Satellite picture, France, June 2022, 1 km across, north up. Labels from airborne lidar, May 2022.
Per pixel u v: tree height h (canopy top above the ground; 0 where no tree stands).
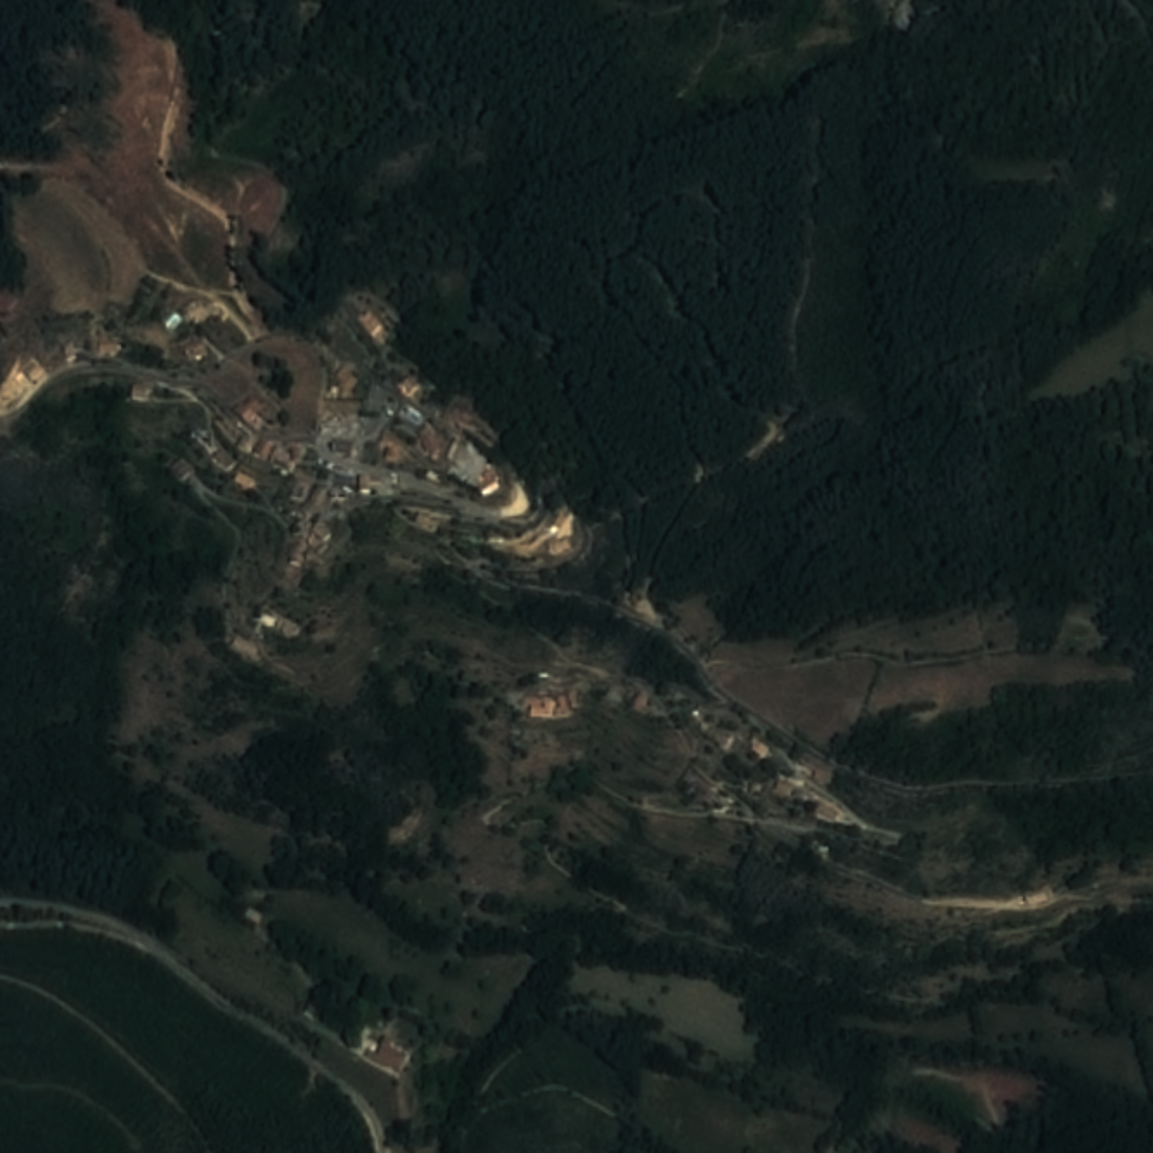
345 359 0
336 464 0
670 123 36
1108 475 20
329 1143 8
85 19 17
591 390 29
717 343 35
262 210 0
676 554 19
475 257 19
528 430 14
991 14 15
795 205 34
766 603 23
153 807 25
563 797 15
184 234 0
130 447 7
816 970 9
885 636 0
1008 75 9
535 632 7
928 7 11
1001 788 8
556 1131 0
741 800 6
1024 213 18
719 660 0
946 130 23
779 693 0
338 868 17
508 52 32
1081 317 7
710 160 36
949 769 6
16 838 31
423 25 36
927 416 18
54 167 28
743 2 17
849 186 21
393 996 13
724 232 31
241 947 0
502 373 13
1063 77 13
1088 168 14
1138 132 10
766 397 34
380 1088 0
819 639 8
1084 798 8
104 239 0
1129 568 11
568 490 13
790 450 8
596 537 0
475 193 33
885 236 15
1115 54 8
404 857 17
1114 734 0
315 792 16
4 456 0
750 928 9
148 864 31
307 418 0
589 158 33
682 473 20
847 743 9
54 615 11
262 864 0
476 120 25
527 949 22
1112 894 0
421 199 24
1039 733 13
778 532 29
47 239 0
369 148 21
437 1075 12
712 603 9
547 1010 17
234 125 24
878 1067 14
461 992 0
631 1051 29
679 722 16
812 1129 0
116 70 0
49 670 13
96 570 13
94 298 0
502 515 0
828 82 34
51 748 19
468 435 7
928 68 20
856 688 0
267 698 8
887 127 10
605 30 17
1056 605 9
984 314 22
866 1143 18
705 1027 0
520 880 0
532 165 21
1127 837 16
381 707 9
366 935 0
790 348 23
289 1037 7
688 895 6
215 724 7
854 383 7
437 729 13
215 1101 8
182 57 12
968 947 5
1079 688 10
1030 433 9
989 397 13
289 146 14
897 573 19
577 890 8
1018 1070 27
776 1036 14
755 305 30
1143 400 13
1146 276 17
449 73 15
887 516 14
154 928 15
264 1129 9
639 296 33
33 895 6
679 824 0
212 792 6
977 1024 12
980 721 9
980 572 17
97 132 0
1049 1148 21
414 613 0
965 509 16
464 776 10
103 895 32
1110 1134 23
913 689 0
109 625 16
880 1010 11
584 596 10
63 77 26
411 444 7
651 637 12
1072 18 14
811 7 8
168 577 13
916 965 7
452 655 6
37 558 17
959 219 17
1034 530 20
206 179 0
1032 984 12
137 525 8
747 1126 0
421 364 10
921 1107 9
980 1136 18
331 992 21
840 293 8
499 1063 9
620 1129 6
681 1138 0
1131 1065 0
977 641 0
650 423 29
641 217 30
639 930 8
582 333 35
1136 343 0
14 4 27
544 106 30
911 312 18
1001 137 15
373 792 17
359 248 10
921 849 11
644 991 0
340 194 24
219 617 7
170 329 0
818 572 28
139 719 0
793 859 8
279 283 20
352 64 13
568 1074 0
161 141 0
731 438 30
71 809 20
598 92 26
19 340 0
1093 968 11
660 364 30
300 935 14
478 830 0
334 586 8
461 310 0
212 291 0
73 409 7
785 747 10
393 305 13
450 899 0
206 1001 9
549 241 34
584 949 9
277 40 35
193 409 0
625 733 0
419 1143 21
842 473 18
